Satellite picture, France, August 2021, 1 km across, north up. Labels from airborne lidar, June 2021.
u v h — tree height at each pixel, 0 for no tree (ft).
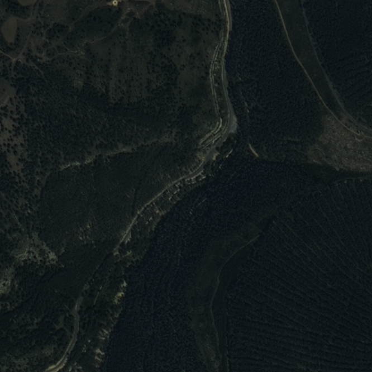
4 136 0
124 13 0
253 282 53
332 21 48
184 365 83
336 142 0
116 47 0
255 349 45
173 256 81
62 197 73
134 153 37
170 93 32
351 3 43
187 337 64
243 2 77
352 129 0
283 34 65
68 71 0
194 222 67
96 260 87
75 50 0
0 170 31
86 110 71
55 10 0
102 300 24
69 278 78
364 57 31
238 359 51
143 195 66
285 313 39
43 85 63
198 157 23
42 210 63
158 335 67
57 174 61
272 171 78
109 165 60
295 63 77
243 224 81
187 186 69
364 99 43
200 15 28
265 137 82
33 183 29
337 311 51
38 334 45
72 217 69
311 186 65
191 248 90
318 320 45
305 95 79
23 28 0
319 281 38
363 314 39
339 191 39
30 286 37
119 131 63
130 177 70
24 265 36
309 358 37
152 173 47
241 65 67
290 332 38
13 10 24
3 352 48
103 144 66
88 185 76
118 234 44
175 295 81
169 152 61
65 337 45
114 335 79
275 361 35
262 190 78
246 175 69
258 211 84
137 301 66
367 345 39
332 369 41
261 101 72
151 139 22
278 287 50
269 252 56
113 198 69
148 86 27
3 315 49
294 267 47
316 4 46
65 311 55
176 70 40
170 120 30
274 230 54
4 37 0
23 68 53
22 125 26
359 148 0
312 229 46
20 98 31
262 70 68
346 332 49
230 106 0
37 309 53
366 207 41
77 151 68
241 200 83
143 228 30
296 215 51
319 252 47
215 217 80
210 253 81
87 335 31
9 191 49
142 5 0
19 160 33
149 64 26
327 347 36
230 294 40
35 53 0
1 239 28
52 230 59
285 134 73
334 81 30
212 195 82
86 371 64
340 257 41
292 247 46
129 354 77
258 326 46
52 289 53
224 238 81
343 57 35
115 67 0
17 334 40
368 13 28
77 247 54
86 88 31
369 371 38
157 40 34
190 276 81
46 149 48
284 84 83
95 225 58
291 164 77
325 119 0
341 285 52
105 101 40
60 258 56
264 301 42
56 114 56
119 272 60
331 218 40
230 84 35
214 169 68
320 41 35
